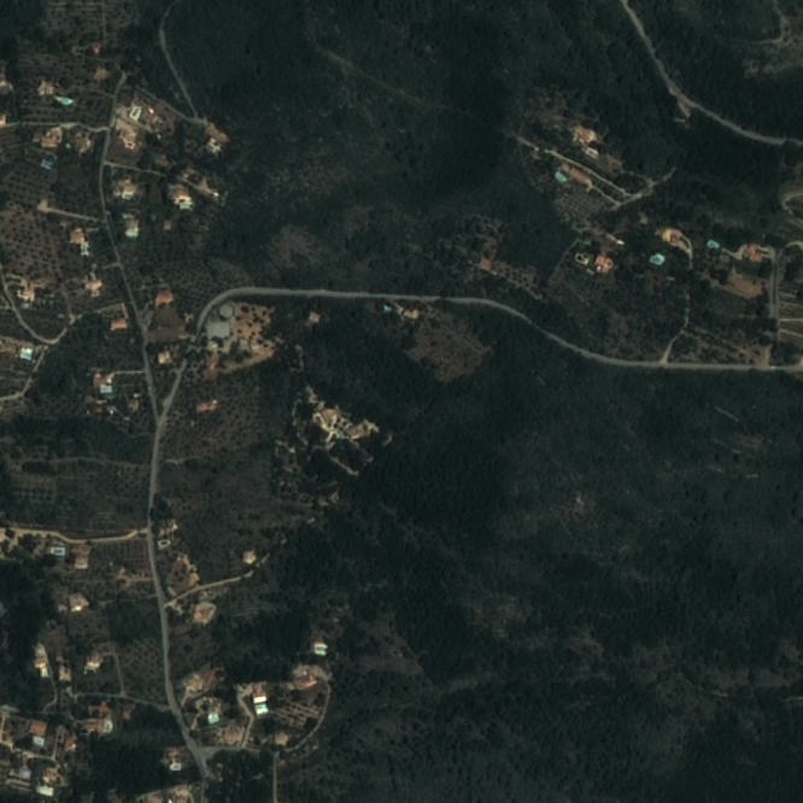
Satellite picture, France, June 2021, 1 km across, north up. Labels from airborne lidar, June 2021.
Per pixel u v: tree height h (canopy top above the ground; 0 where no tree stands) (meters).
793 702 8
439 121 7
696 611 13
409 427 9
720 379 7
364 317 15
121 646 7
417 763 9
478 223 10
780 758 10
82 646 10
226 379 6
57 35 6
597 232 0
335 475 15
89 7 0
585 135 0
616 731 9
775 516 7
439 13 9
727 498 14
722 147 16
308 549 15
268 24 8
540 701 13
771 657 10
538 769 10
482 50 9
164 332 0
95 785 12
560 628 9
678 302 7
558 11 10
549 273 8
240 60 6
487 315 8
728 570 7
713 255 9
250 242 6
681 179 9
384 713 6
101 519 0
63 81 10
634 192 6
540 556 10
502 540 6
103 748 10
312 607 9
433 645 7
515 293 10
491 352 6
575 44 6
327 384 10
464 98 11
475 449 10
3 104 6
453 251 10
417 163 17
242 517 8
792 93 12
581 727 11
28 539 10
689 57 8
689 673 9
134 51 6
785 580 7
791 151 14
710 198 13
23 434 9
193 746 0
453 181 12
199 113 6
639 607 10
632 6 12
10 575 13
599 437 9
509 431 8
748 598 13
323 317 9
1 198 11
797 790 11
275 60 9
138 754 13
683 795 11
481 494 11
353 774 9
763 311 14
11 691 7
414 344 10
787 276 11
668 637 10
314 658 7
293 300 8
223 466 7
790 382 12
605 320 7
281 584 8
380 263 11
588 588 6
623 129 12
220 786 8
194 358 12
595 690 10
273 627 11
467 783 10
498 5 11
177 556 6
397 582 14
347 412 7
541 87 8
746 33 6
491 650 7
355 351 6
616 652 8
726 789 10
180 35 5
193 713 8
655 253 6
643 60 12
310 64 10
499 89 12
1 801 11
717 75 7
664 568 7
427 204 7
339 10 6
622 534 9
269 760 14
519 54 7
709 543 10
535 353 9
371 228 9
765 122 11
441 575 10
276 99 6
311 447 8
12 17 6
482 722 12
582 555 9
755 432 7
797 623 8
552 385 9
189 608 8
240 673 11
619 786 8
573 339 8
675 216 11
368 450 12
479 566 9
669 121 10
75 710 11
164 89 7
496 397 10
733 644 7
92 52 9
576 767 9
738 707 8
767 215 9
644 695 10
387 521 12
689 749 11
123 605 7
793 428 8
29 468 13
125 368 5
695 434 8
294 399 7
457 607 8
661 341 6
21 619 11
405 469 12
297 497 6
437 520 13
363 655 8
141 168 12
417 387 9
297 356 7
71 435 8
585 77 11
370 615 8
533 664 8
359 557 8
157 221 7
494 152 11
